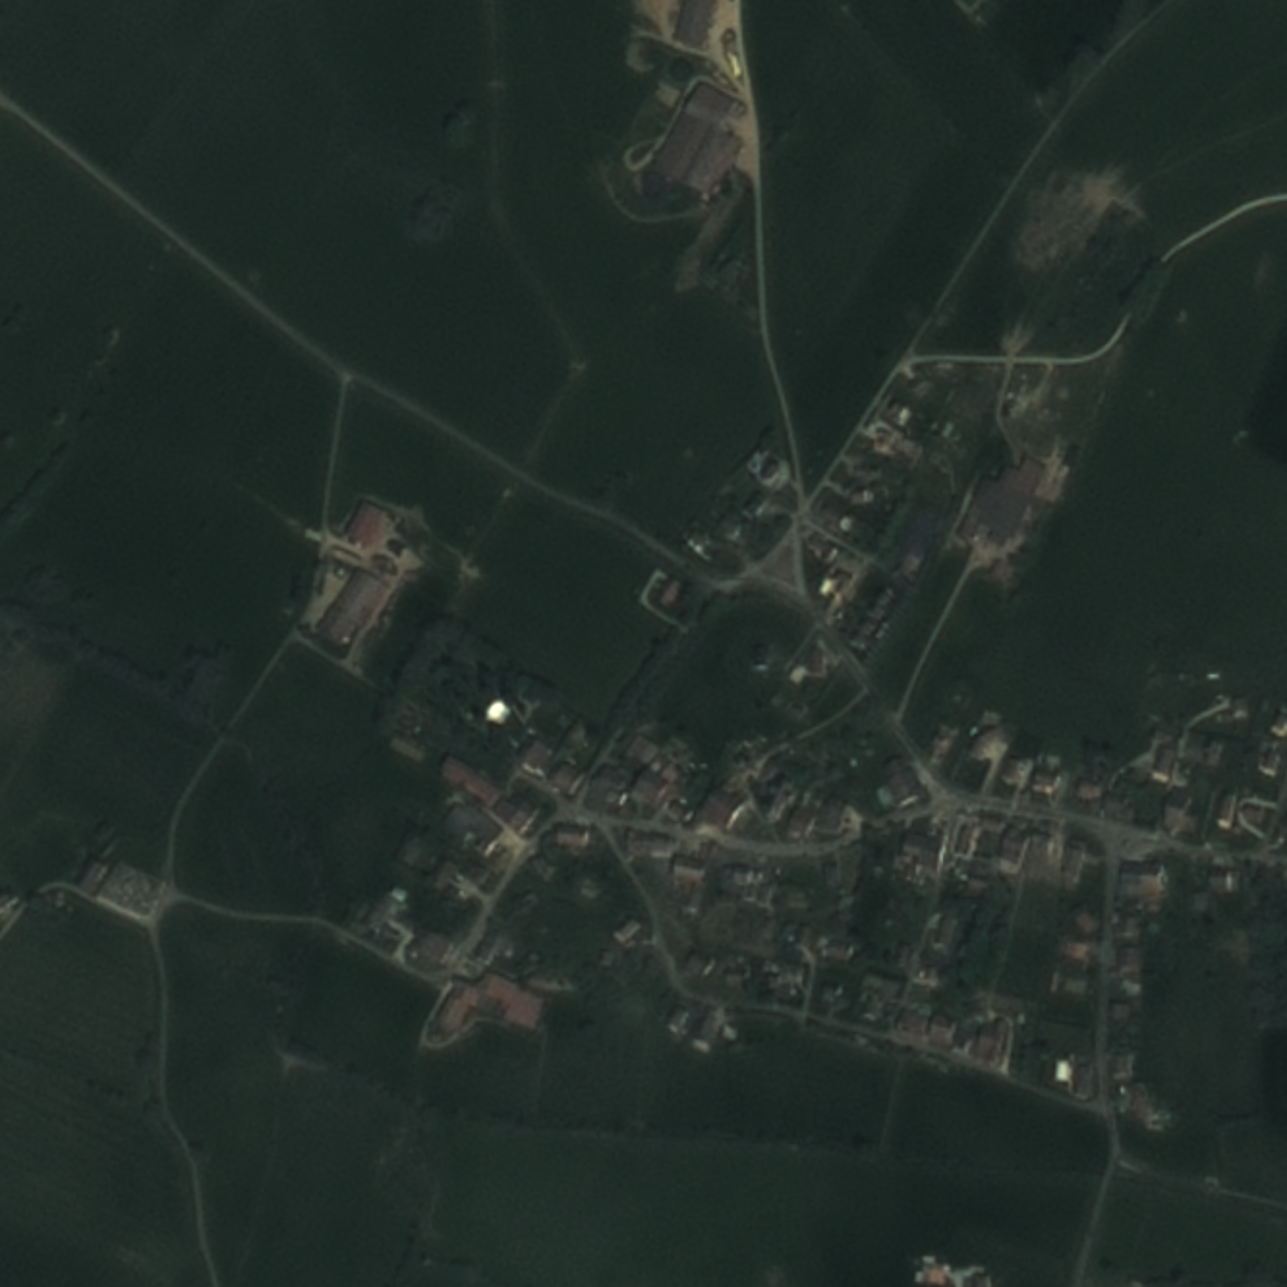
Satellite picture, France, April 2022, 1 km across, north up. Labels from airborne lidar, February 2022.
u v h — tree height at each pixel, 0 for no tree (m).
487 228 0
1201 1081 0
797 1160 0
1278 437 0
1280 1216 0
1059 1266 0
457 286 0
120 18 0
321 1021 0
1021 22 0
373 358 0
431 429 0
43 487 9
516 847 0
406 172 0
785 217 0
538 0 0
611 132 0
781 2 0
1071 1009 0
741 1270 0
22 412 0
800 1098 0
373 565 0
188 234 0
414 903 0
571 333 0
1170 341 0
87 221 0
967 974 16
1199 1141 0
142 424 0
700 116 0
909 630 0
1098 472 0
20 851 0
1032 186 0
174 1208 0
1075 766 0
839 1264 0
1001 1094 0
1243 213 0
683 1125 0
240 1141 0
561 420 0
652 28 0
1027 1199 0
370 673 0
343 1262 0
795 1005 5
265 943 0
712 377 0
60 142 0
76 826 0
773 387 0
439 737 0
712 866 0
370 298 0
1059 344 0
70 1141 0
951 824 0
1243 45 0
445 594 0
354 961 0
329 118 0
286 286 0
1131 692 0
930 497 0
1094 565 0
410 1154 0
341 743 0
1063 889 0
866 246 0
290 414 0
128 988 0
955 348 0
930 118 0
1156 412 0
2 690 0
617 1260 0
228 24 0
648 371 0
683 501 0
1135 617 0
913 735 0
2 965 0
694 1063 0
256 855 0
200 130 0
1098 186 0
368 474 0
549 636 0
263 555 0
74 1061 0
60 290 0
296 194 0
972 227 0
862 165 0
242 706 0
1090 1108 0
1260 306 0
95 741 0
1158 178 0
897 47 0
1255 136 0
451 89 0
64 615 0
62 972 0
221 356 0
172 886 0
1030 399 0
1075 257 0
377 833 0
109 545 0
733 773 0
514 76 0
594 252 0
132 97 0
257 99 0
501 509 0
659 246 0
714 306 0
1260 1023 13
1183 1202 0
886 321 0
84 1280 0
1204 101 0
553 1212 0
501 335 0
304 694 0
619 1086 0
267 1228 0
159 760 0
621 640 0
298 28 0
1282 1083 0
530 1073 0
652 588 0
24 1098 0
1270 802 0
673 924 0
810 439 0
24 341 0
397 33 0
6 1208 0
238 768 0
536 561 0
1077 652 0
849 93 0
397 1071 0
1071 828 0
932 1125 0
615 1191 0
